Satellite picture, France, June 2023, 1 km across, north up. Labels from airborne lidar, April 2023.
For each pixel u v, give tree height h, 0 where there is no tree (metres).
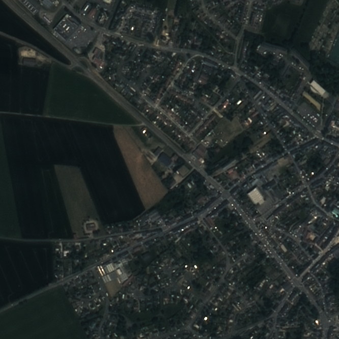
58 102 0
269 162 0
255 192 0
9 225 0
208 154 6
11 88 0
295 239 0
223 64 0
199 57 0
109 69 8
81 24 0
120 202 0
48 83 0
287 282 0
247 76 0
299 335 12
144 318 0
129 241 0
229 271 0
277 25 0
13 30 0
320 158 11
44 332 0
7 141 0
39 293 0
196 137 0
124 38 0
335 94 18
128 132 0
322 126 0
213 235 0
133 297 0
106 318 0
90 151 0
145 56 8
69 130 0
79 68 0
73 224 0
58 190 0
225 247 0
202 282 0
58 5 0
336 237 0
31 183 0
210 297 0
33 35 0
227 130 0
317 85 0
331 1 0
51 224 0
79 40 0
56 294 0
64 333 0
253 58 6
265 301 9
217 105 0
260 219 0
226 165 0
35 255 0
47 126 0
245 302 0
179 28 6
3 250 0
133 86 0
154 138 0
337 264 14
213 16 0
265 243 0
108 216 0
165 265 0
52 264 0
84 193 0
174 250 8
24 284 0
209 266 0
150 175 0
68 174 0
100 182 0
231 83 0
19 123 0
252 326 0
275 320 0
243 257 0
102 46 0
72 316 0
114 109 0
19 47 0
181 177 0
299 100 0
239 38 0
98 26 0
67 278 0
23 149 0
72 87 0
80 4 0
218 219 0
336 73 16
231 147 0
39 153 0
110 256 0
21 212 0
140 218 0
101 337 0
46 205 0
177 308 0
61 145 0
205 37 10
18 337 0
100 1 0
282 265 0
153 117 0
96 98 0
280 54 0
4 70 0
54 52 0
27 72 0
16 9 0
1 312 0
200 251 19
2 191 0
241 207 0
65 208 0
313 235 0
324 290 0
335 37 0
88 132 0
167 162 0
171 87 0
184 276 0
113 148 0
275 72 10
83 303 0
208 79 8
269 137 0
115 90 0
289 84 0
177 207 12
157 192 0
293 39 10
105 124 0
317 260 0
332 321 0
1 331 0
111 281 0
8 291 0
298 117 0
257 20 0
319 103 0
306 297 22
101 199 0
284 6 0
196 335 0
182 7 0
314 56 22
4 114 0
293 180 0
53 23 0
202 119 0
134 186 0
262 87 0
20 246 0
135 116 0
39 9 0
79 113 0
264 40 16
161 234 0
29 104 0
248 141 14
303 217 0
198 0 0
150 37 25
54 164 0
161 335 0
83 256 15
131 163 0
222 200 0
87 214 0
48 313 0
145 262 0
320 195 0
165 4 0
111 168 0
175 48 0
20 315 0
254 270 6
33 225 0
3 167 0
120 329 8
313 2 0
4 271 0
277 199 0
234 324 0
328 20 0
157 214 0
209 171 17
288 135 7
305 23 0
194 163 0
